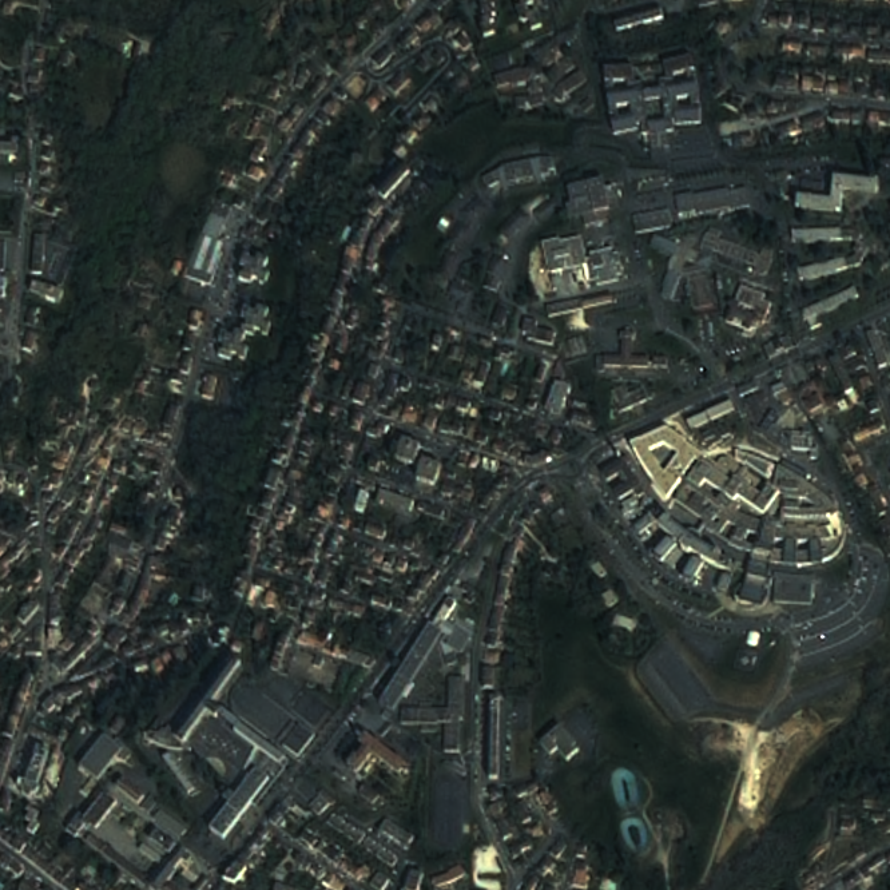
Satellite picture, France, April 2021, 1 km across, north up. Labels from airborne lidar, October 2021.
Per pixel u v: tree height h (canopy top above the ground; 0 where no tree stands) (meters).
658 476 0
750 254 0
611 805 0
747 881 22
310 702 0
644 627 10
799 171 6
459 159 0
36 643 0
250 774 0
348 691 9
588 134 0
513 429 7
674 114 0
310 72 15
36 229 8
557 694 0
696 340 11
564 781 0
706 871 0
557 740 0
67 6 8
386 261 15
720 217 6
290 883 10
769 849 23
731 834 0
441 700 7
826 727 0
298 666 0
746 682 0
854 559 0
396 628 17
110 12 9
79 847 14
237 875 0
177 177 0
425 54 8
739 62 11
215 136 10
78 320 14
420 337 16
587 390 15
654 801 0
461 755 0
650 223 0
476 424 6
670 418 0
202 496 12
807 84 0
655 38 8
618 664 0
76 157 17
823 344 0
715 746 0
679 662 0
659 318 0
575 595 7
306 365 8
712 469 0
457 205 0
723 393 0
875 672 23
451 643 0
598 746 9
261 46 16
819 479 0
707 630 8
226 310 0
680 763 0
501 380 6
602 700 0
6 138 0
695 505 0
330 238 6
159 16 7
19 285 0
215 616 13
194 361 0
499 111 9
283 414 5
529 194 0
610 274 0
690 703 0
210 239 0
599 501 0
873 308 7
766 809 0
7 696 7
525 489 0
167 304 10
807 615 0
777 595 0
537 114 8
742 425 0
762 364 11
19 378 11
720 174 11
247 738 0
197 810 0
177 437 0
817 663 0
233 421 20
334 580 6
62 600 8
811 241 0
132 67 12
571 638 0
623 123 0
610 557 9
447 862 11
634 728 0
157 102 24
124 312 21
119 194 26
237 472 22
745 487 0
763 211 0
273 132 8
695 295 0
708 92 19
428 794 0
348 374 10
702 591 0
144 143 21
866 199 0
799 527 0
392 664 13
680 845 6
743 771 0
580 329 0
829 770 9
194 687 13
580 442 11
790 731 0
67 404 14
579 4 0
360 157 12
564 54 10
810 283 9
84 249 17
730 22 8
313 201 7
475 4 9
